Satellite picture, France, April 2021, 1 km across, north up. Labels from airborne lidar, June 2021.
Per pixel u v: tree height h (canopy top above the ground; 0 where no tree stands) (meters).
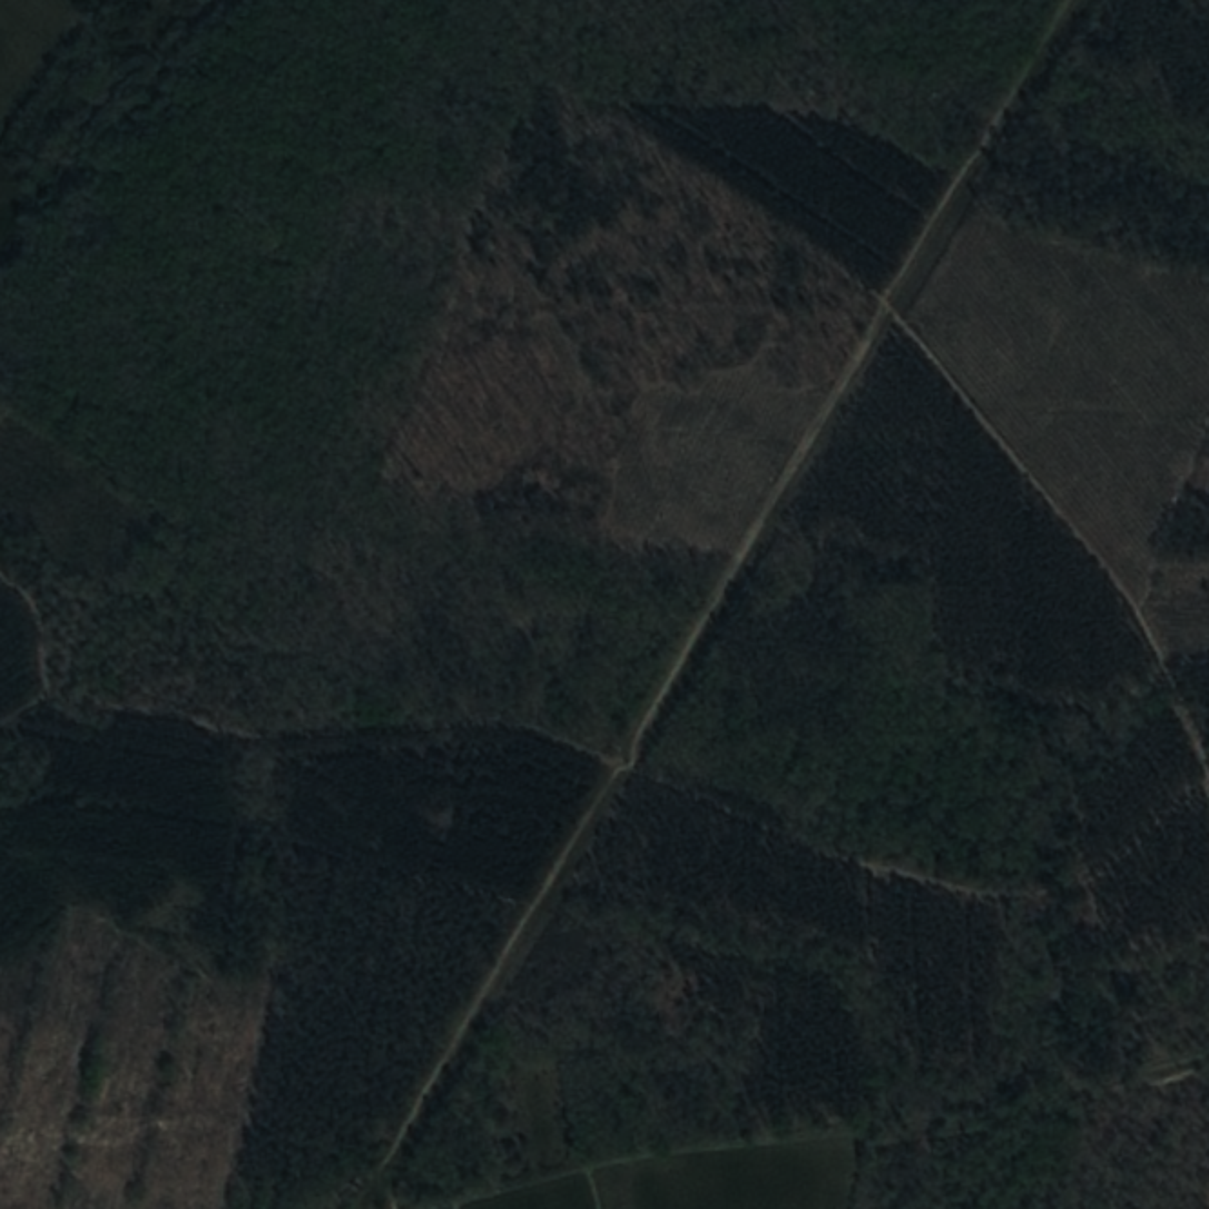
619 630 16
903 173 14
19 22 0
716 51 21
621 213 25
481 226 22
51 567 24
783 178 14
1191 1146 17
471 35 18
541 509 21
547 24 22
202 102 20
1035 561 18
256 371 19
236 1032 0
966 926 15
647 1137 21
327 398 18
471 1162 22
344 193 20
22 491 12
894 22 26
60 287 25
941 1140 22
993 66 19
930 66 23
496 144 19
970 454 15
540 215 25
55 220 25
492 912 20
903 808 16
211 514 25
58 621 15
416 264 11
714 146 9
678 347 26
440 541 19
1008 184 14
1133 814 16
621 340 18
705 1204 0
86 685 18
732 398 0
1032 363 0
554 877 0
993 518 17
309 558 19
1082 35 18
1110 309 0
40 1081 0
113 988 10
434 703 16
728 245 25
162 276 23
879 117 19
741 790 15
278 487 17
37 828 12
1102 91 22
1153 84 15
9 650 10
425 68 23
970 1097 17
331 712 17
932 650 18
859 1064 17
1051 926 17
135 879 11
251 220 27
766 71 19
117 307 21
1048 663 17
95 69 25
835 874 16
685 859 15
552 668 13
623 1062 21
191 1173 0
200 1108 0
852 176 16
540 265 23
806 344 19
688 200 24
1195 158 21
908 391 14
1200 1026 24
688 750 20
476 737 10
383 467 19
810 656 18
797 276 21
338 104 19
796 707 17
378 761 14
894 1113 12
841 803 14
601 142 25
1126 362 0
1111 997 17
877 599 18
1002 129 0
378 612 17
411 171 19
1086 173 23
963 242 0
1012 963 18
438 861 15
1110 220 23
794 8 18
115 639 16
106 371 24
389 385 20
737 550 0
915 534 13
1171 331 0
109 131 15
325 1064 20
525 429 6
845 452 12
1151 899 17
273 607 21
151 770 12
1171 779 17
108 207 20
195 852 11
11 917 9
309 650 20
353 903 10
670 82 16
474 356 21
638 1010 19
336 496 16
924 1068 10
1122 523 0
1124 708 18
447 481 24
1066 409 0
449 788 12
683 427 0
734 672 19
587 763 11
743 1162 0
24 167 14
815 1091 16
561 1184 0
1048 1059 19
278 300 19
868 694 19
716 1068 20
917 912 17
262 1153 20
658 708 0
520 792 13
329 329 20
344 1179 21
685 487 0
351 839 10
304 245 21
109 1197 0
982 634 16
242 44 25
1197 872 14
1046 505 14
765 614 15
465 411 24
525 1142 12
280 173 22
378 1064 21
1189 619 0
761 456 0
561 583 20
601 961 14
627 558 17
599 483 15
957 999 18
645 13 26
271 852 22
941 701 22
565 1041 22
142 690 13
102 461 23
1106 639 16
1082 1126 22
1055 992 18
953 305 0
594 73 24
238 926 20
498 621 22
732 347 12
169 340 20
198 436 22
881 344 0
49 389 26
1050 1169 20
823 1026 16
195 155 21
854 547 16
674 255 26
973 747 21
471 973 20
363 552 19
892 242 11
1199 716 12
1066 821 19
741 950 13
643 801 12
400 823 10
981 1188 20
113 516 10
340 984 16
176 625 9
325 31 20
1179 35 20
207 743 10
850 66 16
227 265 20
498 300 9
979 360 0
